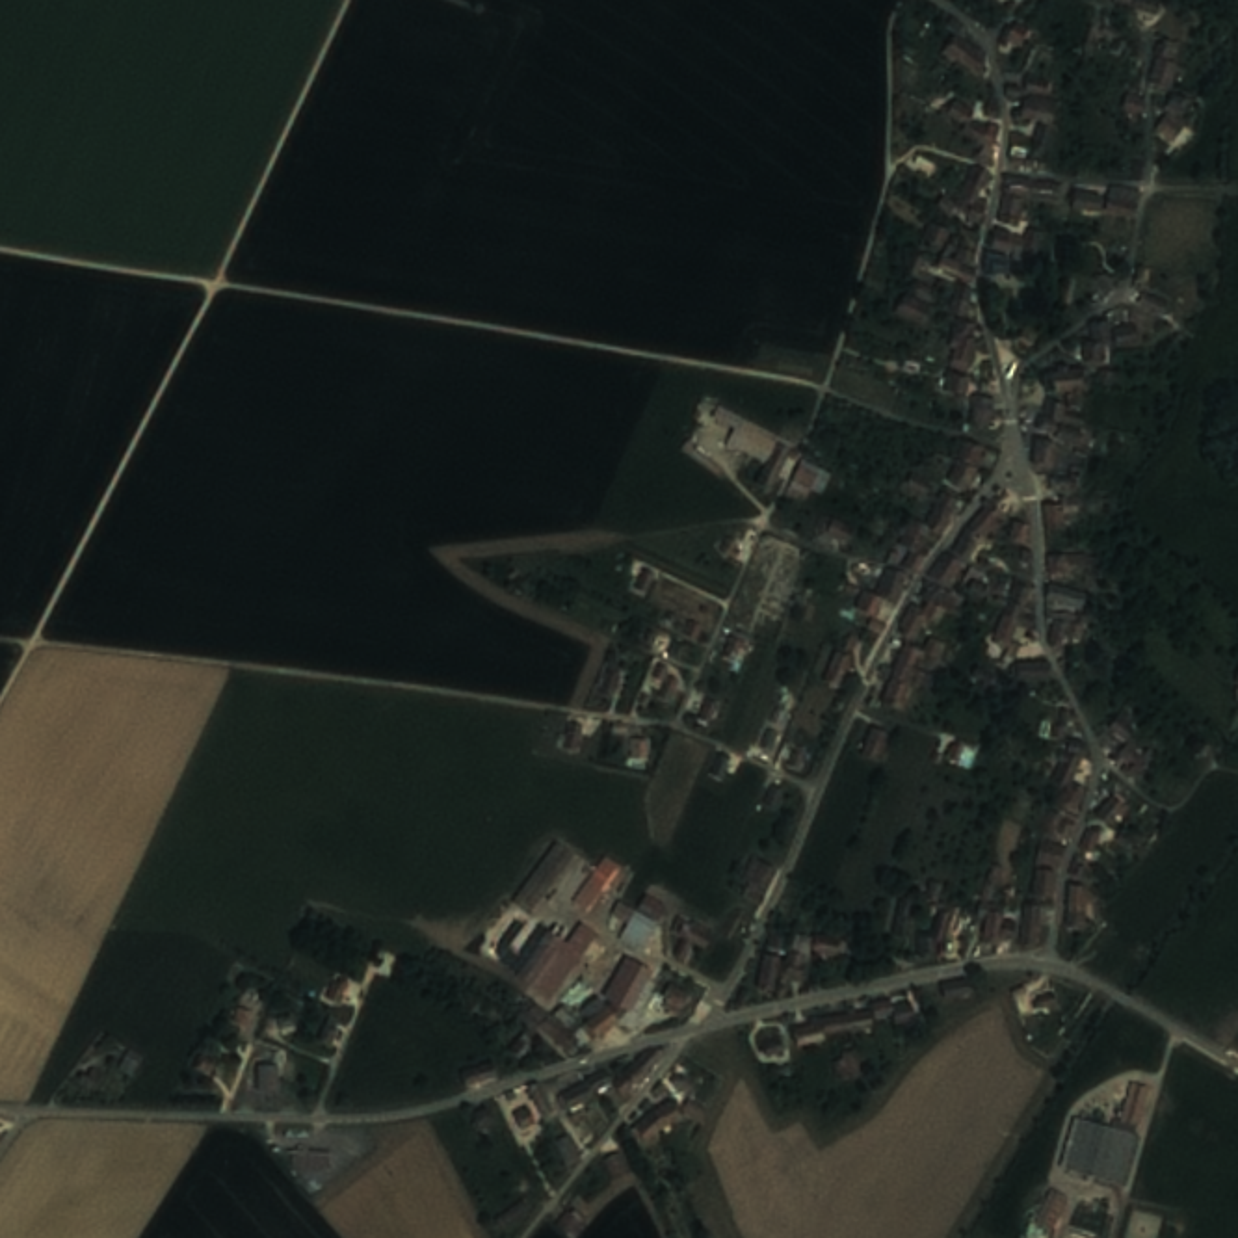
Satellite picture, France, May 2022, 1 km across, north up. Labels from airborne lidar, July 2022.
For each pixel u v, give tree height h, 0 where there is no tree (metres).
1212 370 0
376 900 0
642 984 0
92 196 0
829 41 0
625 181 0
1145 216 0
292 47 0
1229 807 0
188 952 0
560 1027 0
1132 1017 0
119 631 0
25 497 0
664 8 0
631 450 0
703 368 0
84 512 0
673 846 0
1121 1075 0
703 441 0
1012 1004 0
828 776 0
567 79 0
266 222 0
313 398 0
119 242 0
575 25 0
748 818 0
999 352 0
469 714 0
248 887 0
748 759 0
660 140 0
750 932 0
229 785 0
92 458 0
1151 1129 0
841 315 0
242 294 0
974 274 0
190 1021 0
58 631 0
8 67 0
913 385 6
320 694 0
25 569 0
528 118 0
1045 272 25
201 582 0
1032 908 0
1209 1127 0
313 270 0
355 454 0
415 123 0
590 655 0
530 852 0
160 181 0
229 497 0
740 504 0
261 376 0
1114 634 7
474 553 0
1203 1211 0
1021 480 0
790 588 0
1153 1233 0
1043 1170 0
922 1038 28
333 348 0
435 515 0
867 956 22
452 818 0
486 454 0
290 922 0
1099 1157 0
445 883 0
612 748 7
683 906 0
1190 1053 0
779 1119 0
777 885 0
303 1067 0
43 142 0
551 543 0
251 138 0
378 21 0
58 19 0
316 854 0
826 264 0
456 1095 0
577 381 0
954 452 7
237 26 0
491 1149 19
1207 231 0
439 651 0
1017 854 7
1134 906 0
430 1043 0
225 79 0
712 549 0
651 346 0
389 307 0
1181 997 0
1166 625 12
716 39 0
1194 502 0
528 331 0
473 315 0
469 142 0
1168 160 12
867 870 0
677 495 0
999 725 19
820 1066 0
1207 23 15
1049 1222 0
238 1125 0
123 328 0
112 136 0
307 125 0
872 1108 0
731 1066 0
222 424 0
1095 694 9
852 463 7
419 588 0
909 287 6
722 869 0
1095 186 0
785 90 0
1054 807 12
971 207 0
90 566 0
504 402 0
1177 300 0
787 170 0
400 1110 0
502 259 0
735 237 0
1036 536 0
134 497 0
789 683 15
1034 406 0
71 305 0
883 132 0
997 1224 0
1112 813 0
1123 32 15
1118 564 14
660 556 0
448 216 0
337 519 0
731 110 0
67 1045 0
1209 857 0
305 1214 0
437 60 0
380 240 0
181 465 0
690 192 0
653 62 0
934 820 13
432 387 0
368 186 0
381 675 0
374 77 0
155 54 0
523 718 0
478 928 0
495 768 0
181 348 0
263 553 0
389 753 0
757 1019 0
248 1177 0
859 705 0
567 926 0
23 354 0
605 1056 0
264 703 0
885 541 6
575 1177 0
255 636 0
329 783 0
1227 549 0
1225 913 0
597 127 0
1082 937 8
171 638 0
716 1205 0
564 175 0
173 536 0
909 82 0
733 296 0
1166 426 8
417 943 0
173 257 0
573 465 0
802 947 0
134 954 0
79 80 0
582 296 0
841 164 0
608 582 0
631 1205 0
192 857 0
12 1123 0
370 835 0
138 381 0
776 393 0
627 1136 9
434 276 0
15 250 0
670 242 0
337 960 16
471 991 6
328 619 0
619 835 0
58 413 0
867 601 0
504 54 0
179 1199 0
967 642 11
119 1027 0
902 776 0
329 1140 0
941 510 0
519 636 0
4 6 0
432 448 0
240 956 6
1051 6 9
